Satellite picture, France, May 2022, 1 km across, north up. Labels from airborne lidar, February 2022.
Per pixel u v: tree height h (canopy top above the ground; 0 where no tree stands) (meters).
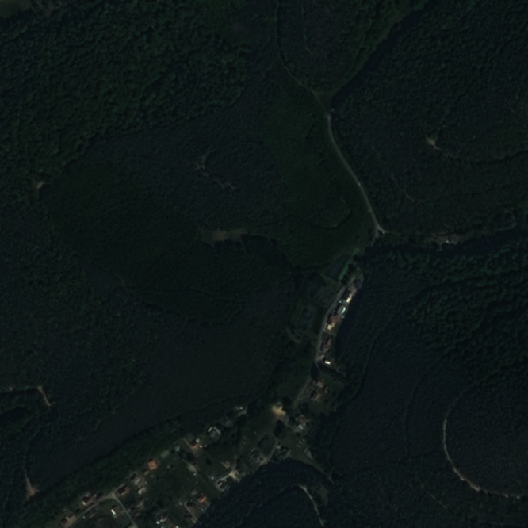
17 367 18
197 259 15
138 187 14
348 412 20
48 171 17
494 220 23
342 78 16
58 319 25
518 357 28
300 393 0
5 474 27
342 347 22
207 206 22
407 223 19
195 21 19
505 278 34
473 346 32
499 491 14
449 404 16
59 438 25
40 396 21
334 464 21
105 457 31
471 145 19
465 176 19
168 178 18
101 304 19
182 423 21
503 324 30
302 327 0
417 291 18
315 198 0
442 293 33
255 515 20
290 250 17
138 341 22
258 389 23
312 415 7
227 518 26
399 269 19
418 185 20
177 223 16
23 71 27
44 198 17
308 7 23
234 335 18
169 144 17
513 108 16
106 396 26
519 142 22
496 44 26
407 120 26
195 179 15
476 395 22
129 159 19
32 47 27
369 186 27
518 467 18
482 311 31
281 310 23
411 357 20
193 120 20
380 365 19
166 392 16
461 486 16
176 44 30
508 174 22
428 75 27
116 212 14
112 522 0
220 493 0
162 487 0
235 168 19
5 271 24
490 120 17
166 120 18
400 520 25
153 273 16
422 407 18
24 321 21
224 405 22
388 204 20
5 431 26
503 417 22
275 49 25
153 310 25
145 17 33
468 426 18
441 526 21
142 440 31
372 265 26
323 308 0
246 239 23
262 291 20
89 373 24
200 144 18
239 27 21
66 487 24
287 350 20
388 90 26
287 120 0
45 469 20
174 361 19
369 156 22
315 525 21
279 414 0
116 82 25
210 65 32
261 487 29
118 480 23
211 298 15
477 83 27
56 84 29
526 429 17
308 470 26
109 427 16
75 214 15
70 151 25
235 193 16
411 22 23
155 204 15
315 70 20
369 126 21
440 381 18
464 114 25
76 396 25
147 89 37
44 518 21
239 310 17
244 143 21
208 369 18
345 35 24
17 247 22
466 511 19
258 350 18
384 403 19
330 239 0
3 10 0
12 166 22
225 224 19
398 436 18
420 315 28
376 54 0
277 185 19
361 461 16
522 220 24
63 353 24
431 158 19
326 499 0
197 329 20
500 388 23
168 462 0
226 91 24
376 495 29
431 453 18
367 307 23
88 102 28
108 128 24
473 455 17
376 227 0
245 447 0
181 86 32
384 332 22
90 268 18
